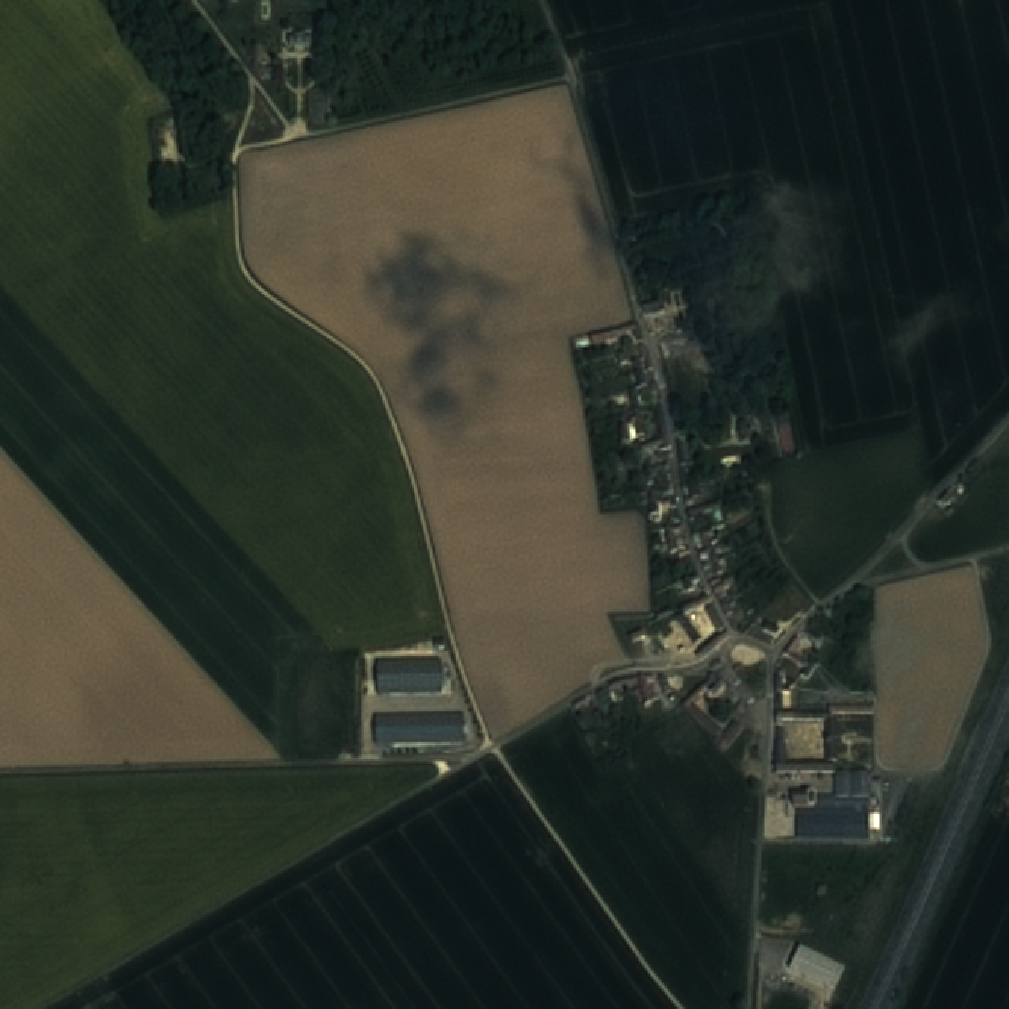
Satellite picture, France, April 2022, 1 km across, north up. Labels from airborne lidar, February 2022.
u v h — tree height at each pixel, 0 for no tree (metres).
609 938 0
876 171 0
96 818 0
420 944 0
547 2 0
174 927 0
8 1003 0
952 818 0
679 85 0
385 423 0
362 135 0
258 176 0
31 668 0
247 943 0
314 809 0
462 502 0
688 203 0
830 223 0
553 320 0
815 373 0
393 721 0
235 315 0
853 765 0
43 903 0
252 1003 0
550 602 0
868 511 0
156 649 0
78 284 0
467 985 0
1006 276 0
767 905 0
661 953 0
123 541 0
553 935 0
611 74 0
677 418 15
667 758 0
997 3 0
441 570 0
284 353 0
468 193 0
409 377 0
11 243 0
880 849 0
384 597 0
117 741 0
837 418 0
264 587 0
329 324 0
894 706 0
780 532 0
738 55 0
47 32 0
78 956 0
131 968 0
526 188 0
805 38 0
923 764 0
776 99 0
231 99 24
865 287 0
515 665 0
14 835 0
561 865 0
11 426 0
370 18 31
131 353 0
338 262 0
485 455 0
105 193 0
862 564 0
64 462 0
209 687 0
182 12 15
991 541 0
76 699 0
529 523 0
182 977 0
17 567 0
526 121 0
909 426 0
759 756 17
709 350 20
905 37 0
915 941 0
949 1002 0
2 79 0
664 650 0
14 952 0
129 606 0
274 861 0
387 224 0
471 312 0
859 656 10
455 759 0
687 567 13
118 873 0
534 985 0
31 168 0
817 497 0
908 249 0
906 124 0
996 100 0
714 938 0
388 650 0
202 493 0
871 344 0
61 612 0
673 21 0
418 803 0
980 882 0
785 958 0
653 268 18
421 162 0
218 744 0
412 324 0
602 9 0
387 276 0
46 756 0
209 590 0
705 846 0
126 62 0
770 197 0
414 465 0
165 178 22
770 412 15
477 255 0
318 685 0
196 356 0
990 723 0
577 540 0
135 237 0
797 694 0
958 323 0
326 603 0
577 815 0
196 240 0
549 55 20
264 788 0
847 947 0
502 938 0
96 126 0
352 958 0
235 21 11
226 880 0
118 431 0
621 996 0
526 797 0
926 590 0
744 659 0
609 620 0
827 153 0
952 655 0
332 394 0
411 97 0
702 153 0
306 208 0
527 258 0
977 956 0
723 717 11
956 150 0
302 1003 0
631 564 0
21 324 0
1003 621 0
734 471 6
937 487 0
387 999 0
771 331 5
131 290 0
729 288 17
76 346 0
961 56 0
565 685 0
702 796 0
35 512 0
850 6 0
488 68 28
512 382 0
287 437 0
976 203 0
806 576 0
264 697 0
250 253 0
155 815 0
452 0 28
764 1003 0
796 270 0
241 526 0
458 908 0
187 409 0
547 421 0
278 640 0
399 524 0
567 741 0
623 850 0
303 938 0
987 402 0
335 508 0
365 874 0
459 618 0
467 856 0
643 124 0
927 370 0
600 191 0
